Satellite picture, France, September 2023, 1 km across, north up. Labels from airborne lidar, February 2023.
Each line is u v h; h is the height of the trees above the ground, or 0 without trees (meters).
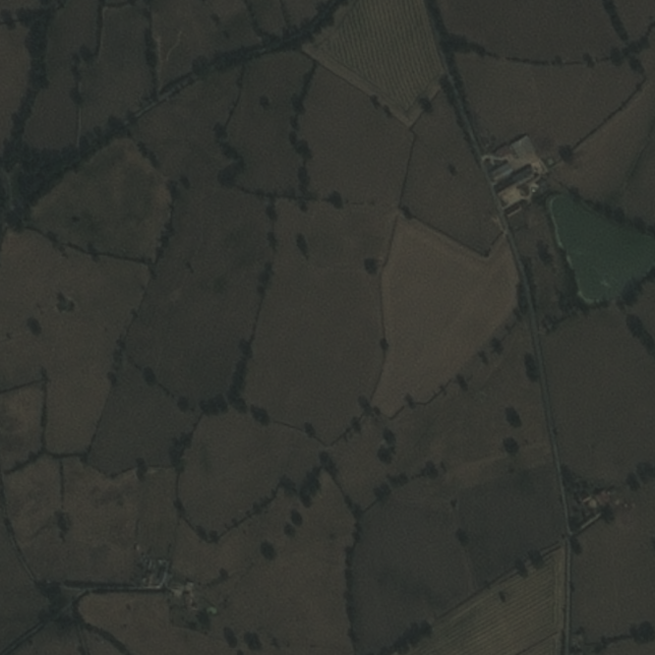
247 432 0
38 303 0
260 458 0
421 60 0
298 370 0
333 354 0
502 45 0
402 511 0
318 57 0
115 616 0
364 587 0
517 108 0
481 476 0
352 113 0
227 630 0
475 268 0
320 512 0
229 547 0
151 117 0
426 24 0
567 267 0
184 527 0
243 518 0
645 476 18
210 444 0
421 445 0
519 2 0
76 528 0
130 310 0
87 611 0
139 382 0
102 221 0
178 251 0
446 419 0
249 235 0
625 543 0
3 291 0
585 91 0
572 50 0
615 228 0
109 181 0
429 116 0
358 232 0
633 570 0
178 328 0
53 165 16
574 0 0
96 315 0
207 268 0
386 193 0
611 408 0
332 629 0
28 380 0
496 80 0
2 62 0
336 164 0
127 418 0
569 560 0
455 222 0
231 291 0
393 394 0
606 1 6
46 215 0
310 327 0
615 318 0
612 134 0
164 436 0
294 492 14
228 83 0
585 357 0
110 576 0
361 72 0
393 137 0
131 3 11
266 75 0
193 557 0
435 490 0
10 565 0
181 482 0
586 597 0
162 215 0
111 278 0
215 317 0
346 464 0
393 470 0
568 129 0
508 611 0
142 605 0
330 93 0
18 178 0
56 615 9
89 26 0
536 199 0
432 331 0
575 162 0
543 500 0
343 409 0
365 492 0
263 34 7
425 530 0
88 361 0
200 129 0
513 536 0
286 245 0
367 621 0
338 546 0
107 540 0
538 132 0
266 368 0
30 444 0
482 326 0
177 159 0
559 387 0
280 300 0
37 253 0
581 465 0
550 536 0
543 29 0
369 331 0
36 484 0
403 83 0
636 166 0
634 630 13
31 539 0
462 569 0
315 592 0
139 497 0
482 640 0
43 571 0
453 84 13
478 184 0
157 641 0
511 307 0
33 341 0
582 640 0
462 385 15
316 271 0
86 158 12
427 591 0
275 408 0
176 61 0
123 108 0
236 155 15
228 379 0
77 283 0
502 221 0
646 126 0
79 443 0
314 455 0
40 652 0
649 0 0
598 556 0
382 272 0
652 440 0
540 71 0
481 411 0
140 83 0
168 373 0
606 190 0
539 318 0
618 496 0
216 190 0
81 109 0
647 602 0
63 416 0
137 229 0
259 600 0
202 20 0
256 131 0
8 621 0
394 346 0
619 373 0
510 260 0
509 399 0
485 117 0
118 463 0
